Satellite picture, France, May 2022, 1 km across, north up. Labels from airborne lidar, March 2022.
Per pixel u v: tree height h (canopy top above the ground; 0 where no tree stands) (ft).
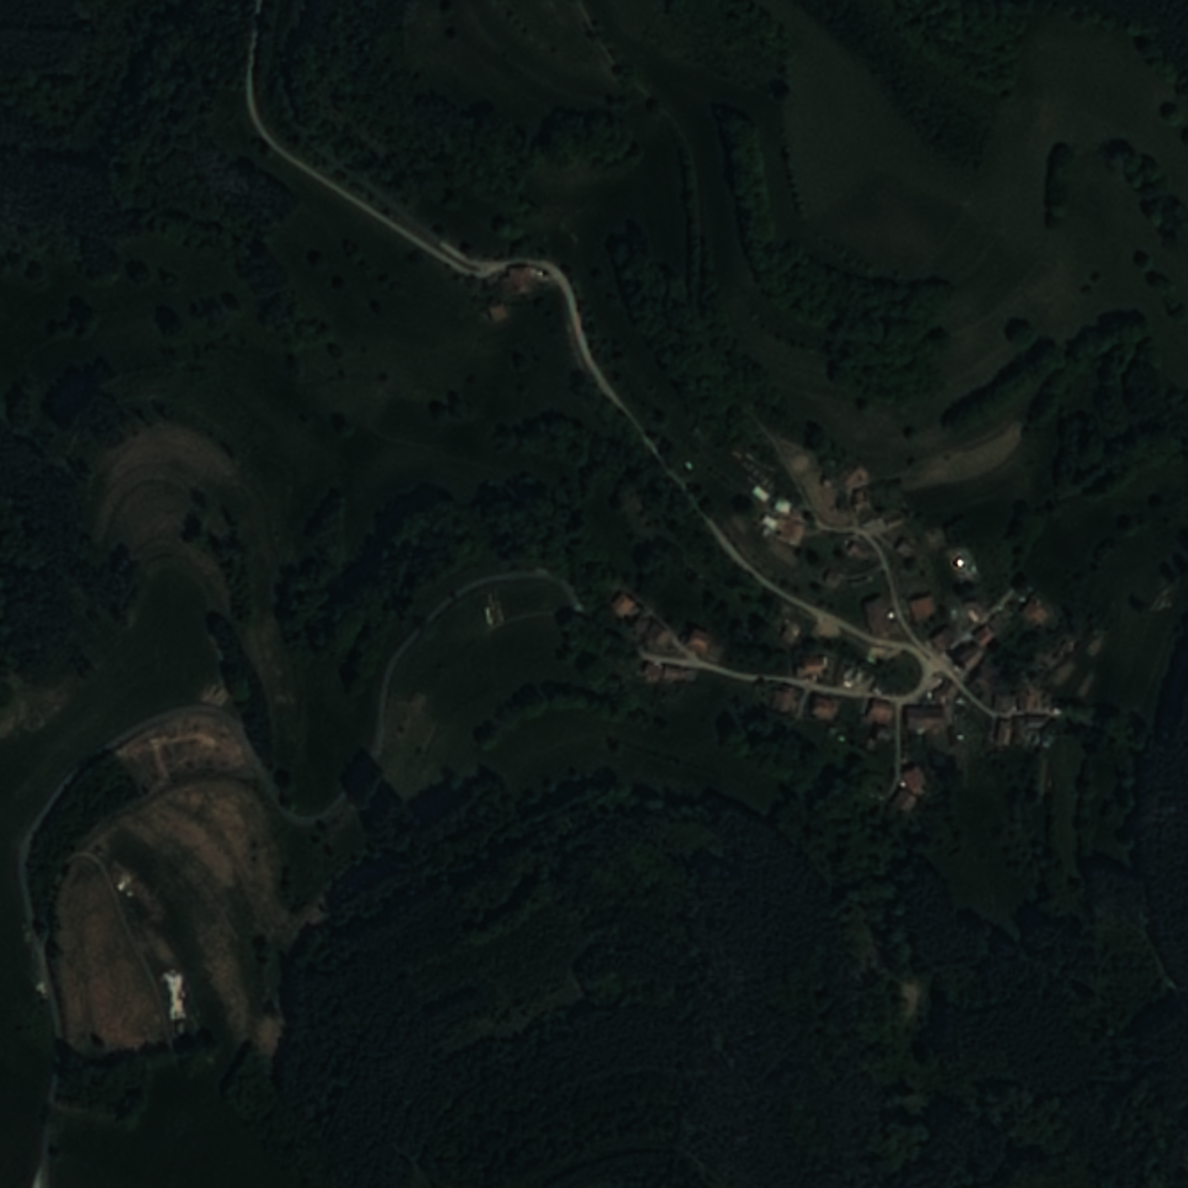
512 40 0
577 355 0
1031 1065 45
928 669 0
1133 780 49
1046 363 76
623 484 49
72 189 108
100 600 100
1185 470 0
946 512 0
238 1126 0
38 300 0
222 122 0
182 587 0
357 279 0
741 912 106
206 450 0
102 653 0
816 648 41
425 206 0
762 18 72
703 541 48
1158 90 0
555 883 70
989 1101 88
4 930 0
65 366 0
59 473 0
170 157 105
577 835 74
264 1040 0
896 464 0
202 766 0
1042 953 89
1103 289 0
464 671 0
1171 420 29
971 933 108
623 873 69
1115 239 0
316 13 67
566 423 60
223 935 0
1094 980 55
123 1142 0
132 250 0
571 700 60
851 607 0
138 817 0
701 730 0
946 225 0
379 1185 55
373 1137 51
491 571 0
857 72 0
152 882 0
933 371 55
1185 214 61
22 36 90
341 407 0
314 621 34
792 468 0
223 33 52
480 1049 29
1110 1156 99
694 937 68
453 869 19
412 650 0
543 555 81
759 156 55
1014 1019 40
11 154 106
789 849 88
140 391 0
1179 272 0
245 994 0
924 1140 103
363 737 0
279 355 0
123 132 82
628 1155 20
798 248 29
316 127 60
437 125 50
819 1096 89
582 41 0
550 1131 57
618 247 53
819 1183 91
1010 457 0
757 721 77
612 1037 67
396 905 85
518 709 44
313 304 0
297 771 0
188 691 0
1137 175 57
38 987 0
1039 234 0
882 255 0
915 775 0
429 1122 33
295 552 0
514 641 0
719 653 0
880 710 0
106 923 0
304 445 0
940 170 0
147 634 0
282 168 0
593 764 0
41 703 108
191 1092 0
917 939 94
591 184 0
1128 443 62
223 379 0
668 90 0
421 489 0
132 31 83
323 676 0
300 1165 42
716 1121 80
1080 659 0
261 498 0
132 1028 0
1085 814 21
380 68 47
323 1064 52
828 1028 79
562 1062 62
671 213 0
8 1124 0
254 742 67
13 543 88
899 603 0
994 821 0
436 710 0
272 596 0
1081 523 0
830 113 0
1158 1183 70
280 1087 62
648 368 0
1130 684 0
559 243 0
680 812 81
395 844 61
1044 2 47
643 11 0
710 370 78
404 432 0
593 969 55
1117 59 0
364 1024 43
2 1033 0
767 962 94
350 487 0
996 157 0
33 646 106
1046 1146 99
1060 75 0
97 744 0
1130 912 96
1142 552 0
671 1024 66
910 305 59
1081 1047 48
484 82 0
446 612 0
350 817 0
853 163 0
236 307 71
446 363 0
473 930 76
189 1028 0
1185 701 91
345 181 40
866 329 79
